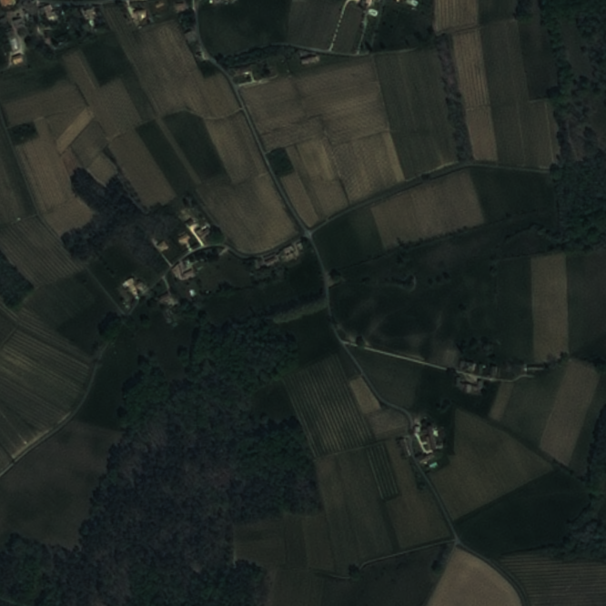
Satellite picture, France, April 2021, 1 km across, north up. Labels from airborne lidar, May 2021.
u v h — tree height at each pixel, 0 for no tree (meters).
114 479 15
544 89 0
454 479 0
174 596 20
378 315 0
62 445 0
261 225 0
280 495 18
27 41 8
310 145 0
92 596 15
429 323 0
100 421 0
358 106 0
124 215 19
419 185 0
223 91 0
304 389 0
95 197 16
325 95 0
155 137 0
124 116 0
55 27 11
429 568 0
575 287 0
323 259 0
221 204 0
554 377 0
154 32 0
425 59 0
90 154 0
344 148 0
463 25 0
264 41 0
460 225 0
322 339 0
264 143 0
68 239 14
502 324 0
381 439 0
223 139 0
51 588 18
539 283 0
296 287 0
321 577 0
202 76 0
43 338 0
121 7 8
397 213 0
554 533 0
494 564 0
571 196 22
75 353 0
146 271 0
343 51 0
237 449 24
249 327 7
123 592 15
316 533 0
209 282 0
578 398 0
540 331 0
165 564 23
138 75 0
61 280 0
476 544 0
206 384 23
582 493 0
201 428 18
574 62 0
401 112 0
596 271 0
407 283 6
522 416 0
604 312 0
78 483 0
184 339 0
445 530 0
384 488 0
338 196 0
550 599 0
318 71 0
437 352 0
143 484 19
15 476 0
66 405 0
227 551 11
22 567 17
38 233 0
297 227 0
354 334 0
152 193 0
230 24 0
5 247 0
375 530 0
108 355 0
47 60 11
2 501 0
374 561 0
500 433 0
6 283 18
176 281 8
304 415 0
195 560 10
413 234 0
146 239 7
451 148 0
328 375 0
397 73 0
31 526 0
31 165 0
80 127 0
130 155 0
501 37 0
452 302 0
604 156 18
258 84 0
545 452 0
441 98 0
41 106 0
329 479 0
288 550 0
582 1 18
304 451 20
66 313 0
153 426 18
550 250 9
